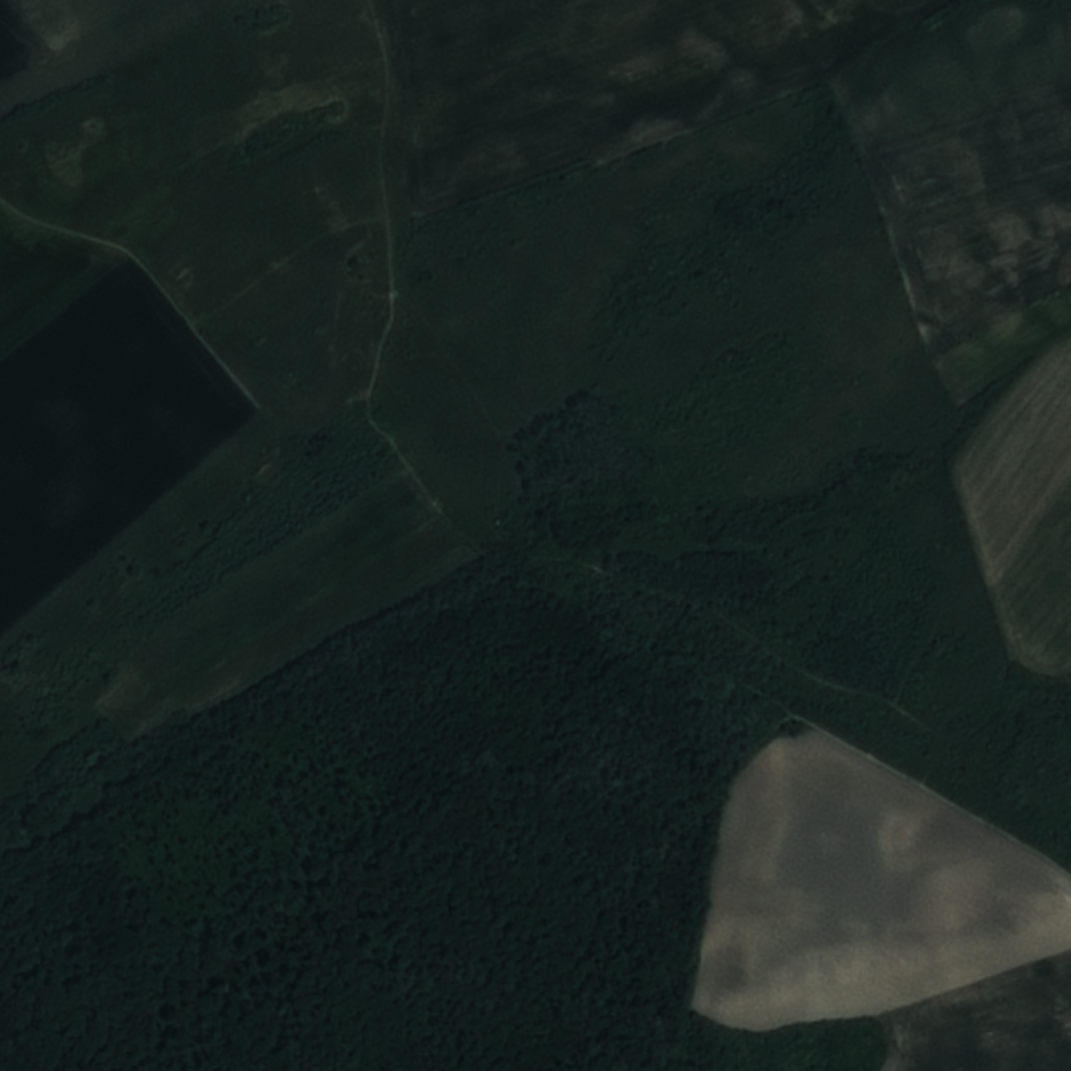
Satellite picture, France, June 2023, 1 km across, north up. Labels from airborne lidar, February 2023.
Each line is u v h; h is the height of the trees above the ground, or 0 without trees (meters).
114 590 0
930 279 0
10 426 0
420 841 21
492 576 14
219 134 0
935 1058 0
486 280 0
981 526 0
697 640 14
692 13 0
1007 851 0
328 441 8
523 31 0
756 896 0
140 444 0
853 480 17
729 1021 0
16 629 0
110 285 0
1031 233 0
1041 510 0
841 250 0
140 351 0
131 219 0
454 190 0
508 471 0
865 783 0
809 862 0
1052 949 0
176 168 0
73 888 20
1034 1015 0
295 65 0
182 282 0
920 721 0
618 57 0
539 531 12
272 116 0
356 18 0
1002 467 0
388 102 0
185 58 0
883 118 0
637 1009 26
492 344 0
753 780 0
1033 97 0
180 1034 28
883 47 0
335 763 17
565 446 15
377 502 0
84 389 0
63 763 7
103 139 0
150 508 0
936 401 0
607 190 0
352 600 0
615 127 0
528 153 0
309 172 0
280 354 0
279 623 0
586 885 22
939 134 0
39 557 0
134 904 25
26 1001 25
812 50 0
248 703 16
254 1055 26
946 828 0
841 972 0
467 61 0
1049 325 0
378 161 0
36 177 0
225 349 0
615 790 21
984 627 0
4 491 0
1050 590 0
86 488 0
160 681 0
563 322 0
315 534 0
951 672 0
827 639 6
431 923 19
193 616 0
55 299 0
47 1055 25
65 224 0
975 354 0
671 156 0
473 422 0
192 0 0
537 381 0
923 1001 0
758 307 0
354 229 0
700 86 0
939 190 0
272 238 0
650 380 0
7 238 0
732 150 0
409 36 0
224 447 0
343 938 26
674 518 6
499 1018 18
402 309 0
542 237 0
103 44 0
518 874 19
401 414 0
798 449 0
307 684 10
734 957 0
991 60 0
